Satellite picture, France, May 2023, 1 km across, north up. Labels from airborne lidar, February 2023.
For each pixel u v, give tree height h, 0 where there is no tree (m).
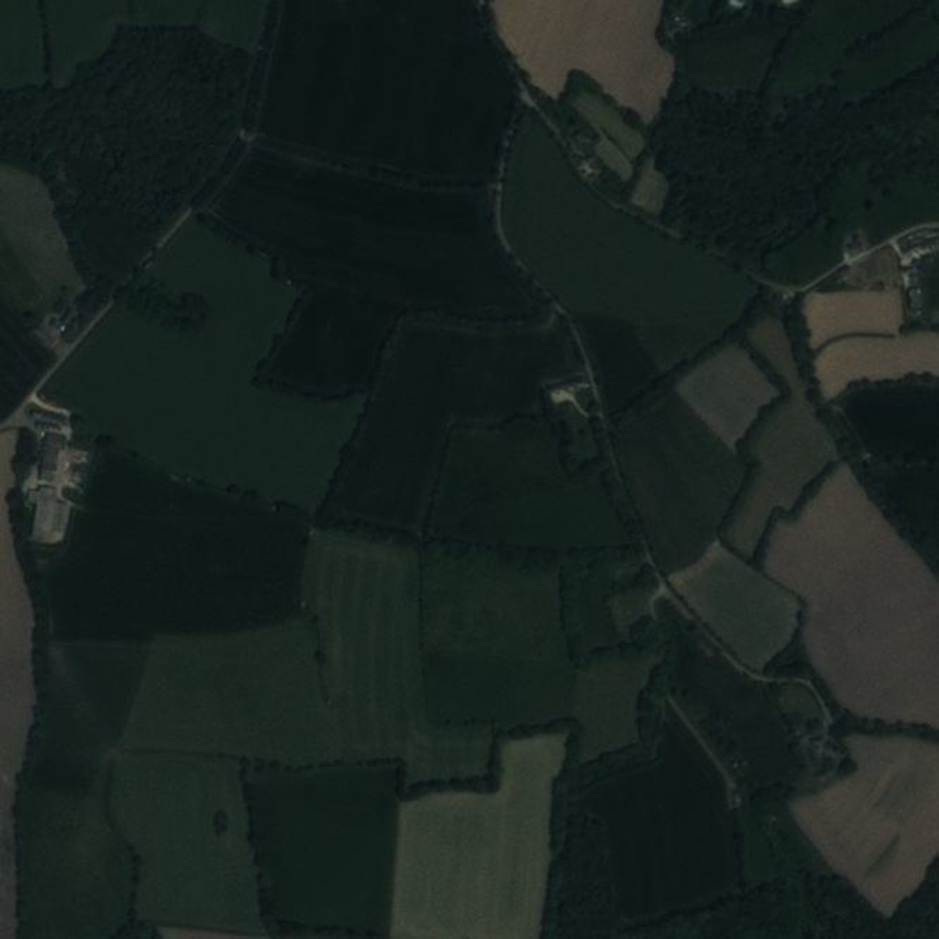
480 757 0
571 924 21
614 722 0
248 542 0
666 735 0
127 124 10
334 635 0
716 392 0
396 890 0
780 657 8
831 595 0
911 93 21
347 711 0
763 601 0
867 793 0
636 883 0
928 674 0
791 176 12
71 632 0
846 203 0
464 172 0
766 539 6
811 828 0
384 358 10
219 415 0
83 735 0
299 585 0
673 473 0
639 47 0
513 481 0
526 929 0
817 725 12
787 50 16
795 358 10
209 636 0
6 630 0
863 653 0
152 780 0
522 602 0
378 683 0
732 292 0
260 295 0
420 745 0
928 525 0
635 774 0
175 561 0
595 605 0
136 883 9
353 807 0
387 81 0
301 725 0
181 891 0
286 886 0
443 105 0
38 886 0
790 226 6
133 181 12
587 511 0
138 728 0
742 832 8
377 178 15
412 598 0
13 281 0
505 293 0
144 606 0
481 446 0
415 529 0
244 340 0
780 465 0
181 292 0
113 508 0
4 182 0
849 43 0
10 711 0
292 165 0
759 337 0
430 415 0
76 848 0
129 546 0
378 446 0
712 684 0
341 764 8
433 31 0
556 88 0
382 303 0
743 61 0
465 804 0
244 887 0
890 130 20
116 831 0
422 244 0
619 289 0
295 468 0
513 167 0
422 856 0
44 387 0
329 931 11
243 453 0
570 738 7
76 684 0
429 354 0
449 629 0
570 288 0
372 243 0
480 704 0
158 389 0
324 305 0
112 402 0
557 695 0
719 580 0
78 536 0
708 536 0
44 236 0
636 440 0
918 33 0
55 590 0
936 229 0
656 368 0
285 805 0
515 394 0
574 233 0
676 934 20
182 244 0
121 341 0
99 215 9
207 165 13
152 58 10
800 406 0
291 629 0
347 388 0
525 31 0
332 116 0
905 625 0
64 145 6
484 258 0
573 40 0
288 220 0
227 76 10
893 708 0
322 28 0
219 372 0
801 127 20
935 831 0
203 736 0
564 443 18
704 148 11
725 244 15
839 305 0
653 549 7
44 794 0
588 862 22
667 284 0
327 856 0
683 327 0
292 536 0
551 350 0
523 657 0
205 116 12
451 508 0
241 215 0
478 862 0
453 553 9
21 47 0
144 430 0
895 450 0
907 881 0
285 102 0
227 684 0
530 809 0
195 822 0
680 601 7
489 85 0
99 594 0
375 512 0
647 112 0
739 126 8
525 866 0
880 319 0
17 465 16
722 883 0
